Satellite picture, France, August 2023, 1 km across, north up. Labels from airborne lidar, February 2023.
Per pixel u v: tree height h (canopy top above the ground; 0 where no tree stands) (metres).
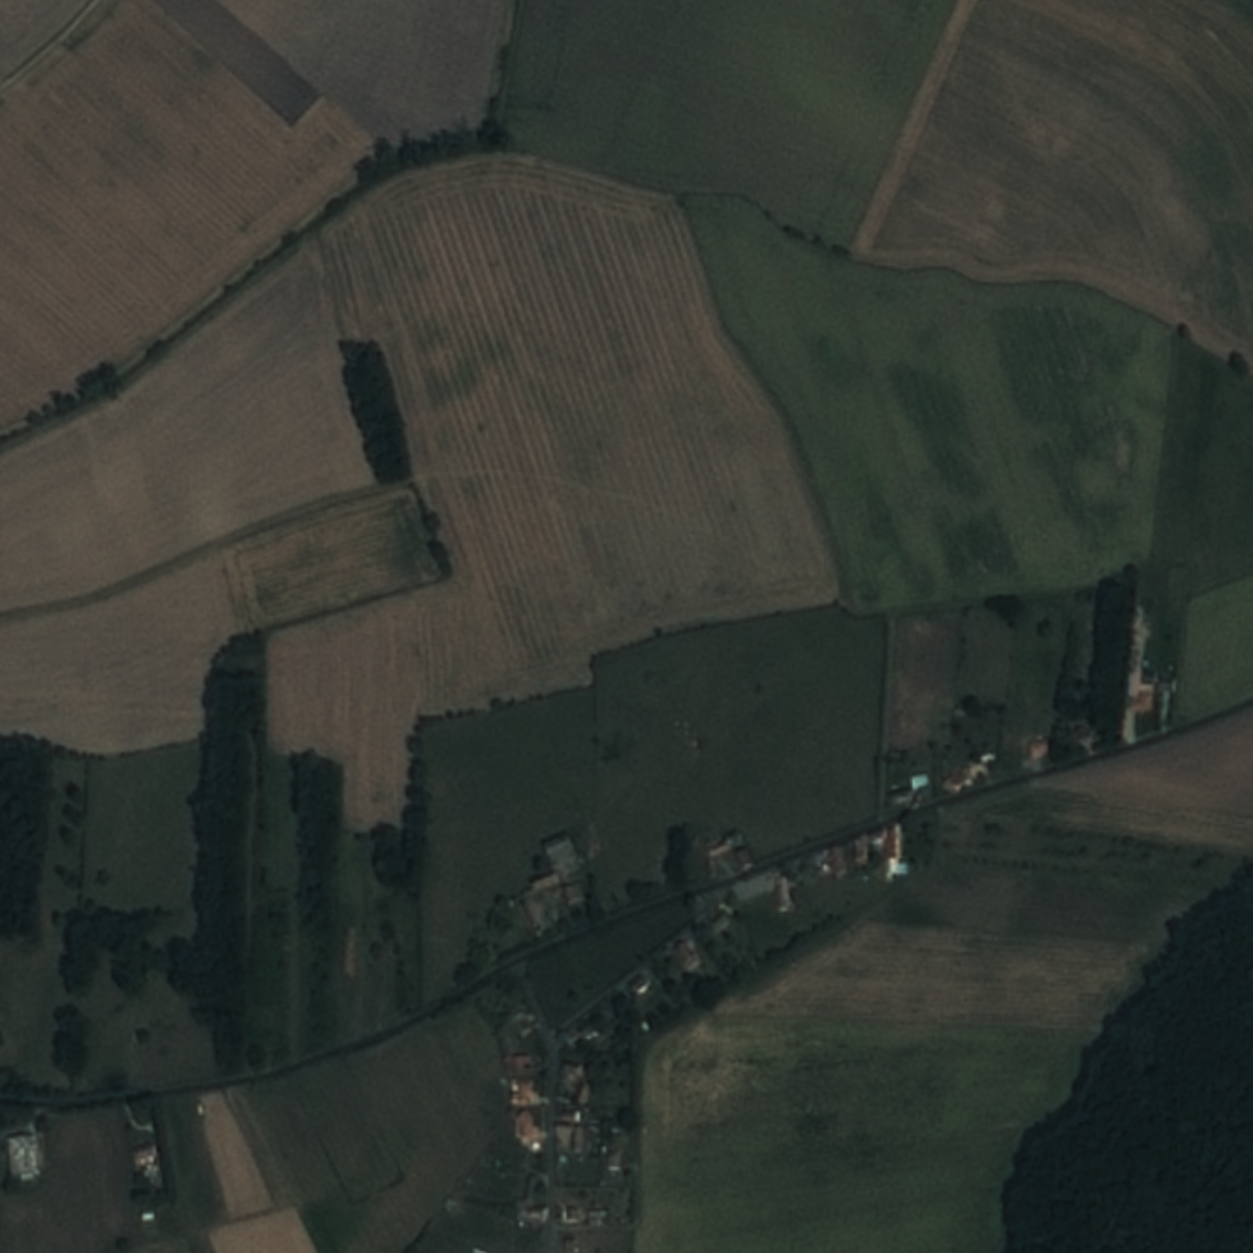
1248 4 0
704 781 0
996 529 0
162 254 0
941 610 0
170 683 0
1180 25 0
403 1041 0
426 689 0
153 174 0
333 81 0
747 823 0
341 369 0
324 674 0
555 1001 0
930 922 0
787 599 0
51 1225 0
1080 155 0
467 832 0
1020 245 0
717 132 0
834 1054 0
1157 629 0
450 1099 0
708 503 0
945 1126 0
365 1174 0
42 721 0
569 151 0
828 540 0
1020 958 0
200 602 0
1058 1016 0
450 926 0
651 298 0
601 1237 0
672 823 0
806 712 0
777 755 0
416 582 0
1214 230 0
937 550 0
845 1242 0
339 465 0
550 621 0
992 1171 0
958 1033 0
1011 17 0
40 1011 0
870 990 0
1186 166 0
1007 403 0
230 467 0
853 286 0
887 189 0
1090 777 0
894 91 0
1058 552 0
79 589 0
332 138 0
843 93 0
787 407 0
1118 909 0
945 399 0
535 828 0
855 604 0
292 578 0
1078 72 0
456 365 0
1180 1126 22
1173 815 0
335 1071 0
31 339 0
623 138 0
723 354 0
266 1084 0
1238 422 0
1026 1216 23
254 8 0
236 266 0
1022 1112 0
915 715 0
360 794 0
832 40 0
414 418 0
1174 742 0
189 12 0
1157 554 0
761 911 0
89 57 0
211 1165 0
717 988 19
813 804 0
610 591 0
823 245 7
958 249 0
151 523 0
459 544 0
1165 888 0
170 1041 0
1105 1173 26
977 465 0
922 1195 0
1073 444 0
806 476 0
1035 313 0
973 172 0
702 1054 0
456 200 0
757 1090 0
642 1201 0
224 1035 11
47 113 0
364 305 0
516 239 0
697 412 0
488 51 0
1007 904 0
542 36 0
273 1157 0
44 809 11
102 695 0
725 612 0
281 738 0
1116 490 0
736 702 0
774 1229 0
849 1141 0
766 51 0
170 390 0
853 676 0
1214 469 0
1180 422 0
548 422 0
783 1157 0
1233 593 0
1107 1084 24
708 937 10
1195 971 22
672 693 0
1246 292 0
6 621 0
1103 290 0
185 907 0
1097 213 0
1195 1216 20
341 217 0
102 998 0
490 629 0
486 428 0
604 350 0
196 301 0
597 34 0
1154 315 0
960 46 0
